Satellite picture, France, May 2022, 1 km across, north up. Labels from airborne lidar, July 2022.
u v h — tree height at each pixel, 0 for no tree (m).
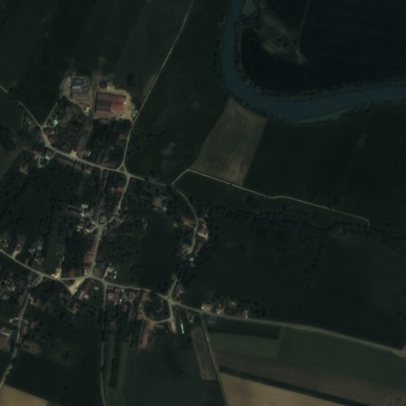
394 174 0
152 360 0
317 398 0
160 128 0
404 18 0
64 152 0
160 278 0
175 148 0
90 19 0
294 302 0
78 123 17
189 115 0
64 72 0
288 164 0
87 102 0
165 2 0
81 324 0
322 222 0
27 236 0
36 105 0
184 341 0
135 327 7
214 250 21
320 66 0
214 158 0
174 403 0
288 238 17
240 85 0
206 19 0
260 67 0
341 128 0
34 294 14
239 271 0
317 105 0
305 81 0
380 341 0
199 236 13
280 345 0
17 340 0
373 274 0
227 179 0
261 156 0
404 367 0
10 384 0
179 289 0
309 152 0
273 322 0
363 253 0
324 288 0
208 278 0
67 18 0
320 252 8
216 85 0
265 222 21
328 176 0
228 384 0
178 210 15
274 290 0
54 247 0
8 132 20
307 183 0
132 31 0
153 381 0
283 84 0
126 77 0
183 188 0
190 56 0
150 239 0
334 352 0
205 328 0
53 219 9
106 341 12
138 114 0
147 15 0
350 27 0
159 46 0
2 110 0
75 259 9
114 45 0
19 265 6
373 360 0
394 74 0
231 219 15
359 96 0
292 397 0
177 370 0
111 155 8
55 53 0
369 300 0
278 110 0
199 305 0
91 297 0
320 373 0
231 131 0
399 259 0
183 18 0
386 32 0
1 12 0
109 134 8
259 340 0
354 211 0
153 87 0
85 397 0
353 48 0
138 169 0
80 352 0
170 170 0
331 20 0
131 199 9
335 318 0
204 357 0
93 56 0
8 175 7
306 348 0
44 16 0
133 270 14
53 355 0
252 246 0
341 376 0
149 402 0
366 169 0
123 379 0
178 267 14
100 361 0
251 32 0
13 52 0
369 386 0
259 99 0
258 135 0
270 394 0
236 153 0
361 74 0
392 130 0
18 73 0
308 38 0
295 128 0
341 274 0
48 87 0
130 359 0
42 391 0
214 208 9
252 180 0
